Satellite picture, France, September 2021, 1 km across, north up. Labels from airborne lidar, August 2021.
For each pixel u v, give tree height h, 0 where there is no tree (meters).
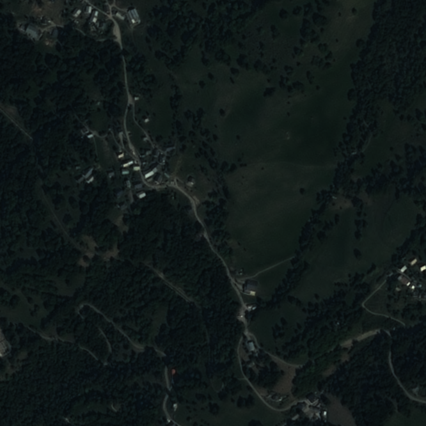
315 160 0
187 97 0
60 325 14
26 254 0
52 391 21
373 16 11
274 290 0
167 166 12
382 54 23
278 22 0
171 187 0
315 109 0
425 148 0
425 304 0
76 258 24
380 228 0
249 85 0
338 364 9
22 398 27
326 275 0
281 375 9
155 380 19
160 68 0
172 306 22
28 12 0
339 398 17
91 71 20
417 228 7
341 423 0
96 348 14
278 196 0
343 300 19
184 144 10
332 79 0
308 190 0
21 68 27
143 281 11
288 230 0
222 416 0
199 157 11
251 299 0
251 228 0
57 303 13
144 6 0
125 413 17
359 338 0
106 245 17
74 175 0
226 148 0
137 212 22
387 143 0
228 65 16
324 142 0
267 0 16
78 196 0
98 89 12
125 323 14
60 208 14
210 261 17
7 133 24
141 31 0
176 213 5
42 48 0
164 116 0
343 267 0
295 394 17
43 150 29
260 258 0
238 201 0
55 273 14
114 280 23
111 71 23
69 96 23
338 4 0
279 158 0
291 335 0
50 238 18
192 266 14
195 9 0
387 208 0
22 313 0
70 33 24
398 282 16
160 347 25
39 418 19
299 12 15
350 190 21
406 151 12
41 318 0
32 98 0
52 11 0
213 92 0
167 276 15
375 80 18
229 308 26
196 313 26
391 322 10
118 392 10
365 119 15
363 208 12
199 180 0
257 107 0
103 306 19
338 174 16
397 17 23
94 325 18
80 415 0
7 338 15
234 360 17
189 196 0
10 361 11
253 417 0
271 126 0
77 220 0
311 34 12
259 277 0
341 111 0
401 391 12
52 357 22
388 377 17
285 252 0
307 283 0
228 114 0
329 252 0
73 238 21
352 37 0
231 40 20
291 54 0
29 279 17
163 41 19
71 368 29
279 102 0
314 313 8
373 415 18
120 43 0
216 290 27
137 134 0
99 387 14
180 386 20
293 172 0
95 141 0
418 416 0
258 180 0
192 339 25
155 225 24
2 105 17
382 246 0
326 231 18
